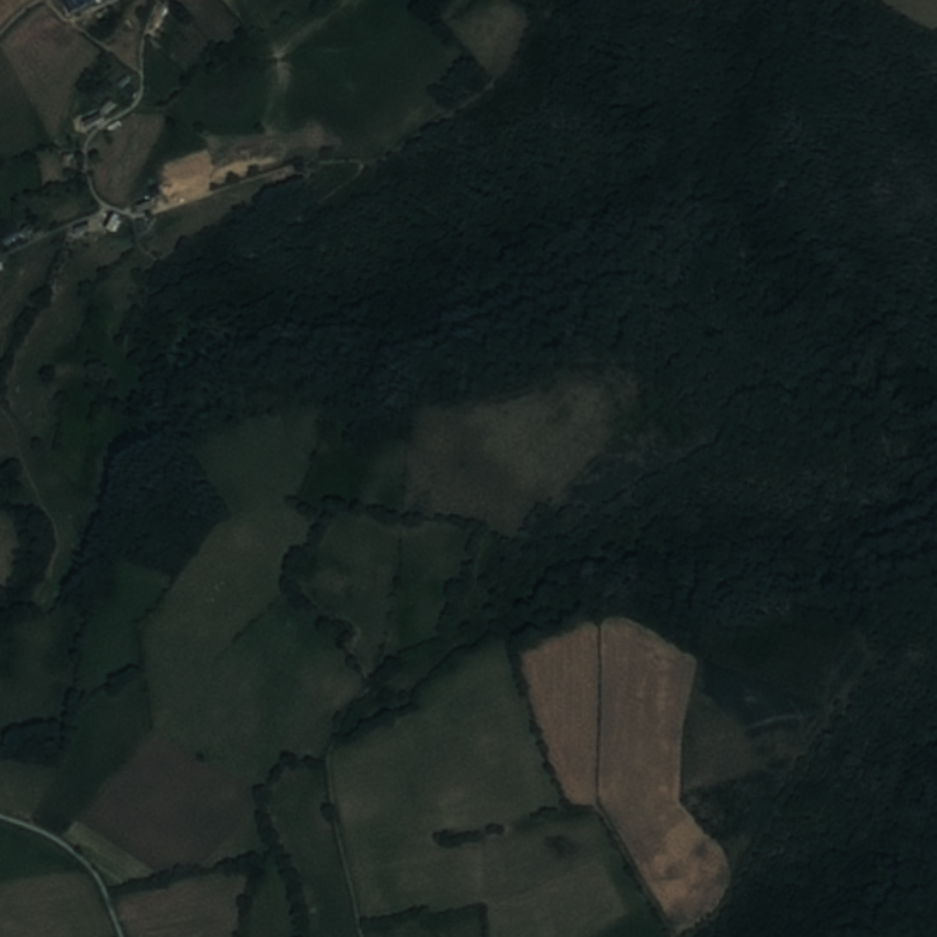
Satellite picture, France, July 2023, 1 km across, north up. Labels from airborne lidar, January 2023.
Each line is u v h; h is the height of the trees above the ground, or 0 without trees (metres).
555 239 28
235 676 0
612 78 32
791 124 30
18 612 20
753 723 0
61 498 0
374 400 25
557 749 0
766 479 16
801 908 31
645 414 0
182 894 0
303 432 0
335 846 0
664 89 22
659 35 15
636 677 0
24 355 0
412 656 7
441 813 0
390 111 0
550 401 0
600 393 0
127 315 8
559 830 0
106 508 22
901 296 12
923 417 25
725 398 28
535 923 0
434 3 18
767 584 21
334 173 0
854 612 13
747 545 18
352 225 13
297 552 15
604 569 23
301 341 15
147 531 15
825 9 11
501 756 0
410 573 0
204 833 0
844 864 24
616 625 0
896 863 22
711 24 22
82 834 0
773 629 0
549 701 0
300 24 0
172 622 0
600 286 15
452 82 11
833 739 18
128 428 0
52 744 18
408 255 23
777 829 12
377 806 0
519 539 7
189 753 0
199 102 0
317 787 0
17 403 0
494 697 0
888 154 17
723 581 12
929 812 24
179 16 15
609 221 24
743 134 24
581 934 0
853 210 13
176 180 0
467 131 6
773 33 27
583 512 10
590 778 0
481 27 0
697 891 0
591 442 0
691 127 22
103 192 0
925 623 15
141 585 0
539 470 0
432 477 0
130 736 0
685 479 17
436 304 17
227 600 0
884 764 17
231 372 19
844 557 20
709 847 0
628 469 0
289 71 0
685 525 27
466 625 13
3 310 0
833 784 14
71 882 0
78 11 0
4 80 0
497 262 30
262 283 9
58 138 0
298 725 0
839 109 18
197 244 7
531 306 21
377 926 12
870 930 22
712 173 20
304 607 22
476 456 0
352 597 0
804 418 21
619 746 0
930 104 11
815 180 25
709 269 22
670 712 0
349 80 0
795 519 18
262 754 0
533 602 13
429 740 0
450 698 0
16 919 0
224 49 17
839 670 0
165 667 0
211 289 26
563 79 16
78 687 5
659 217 29
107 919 0
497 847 0
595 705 0
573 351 17
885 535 13
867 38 15
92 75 6
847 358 21
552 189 21
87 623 7
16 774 0
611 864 0
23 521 19
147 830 0
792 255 25
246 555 0
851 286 21
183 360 17
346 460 0
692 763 0
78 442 0
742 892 8
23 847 0
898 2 0
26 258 0
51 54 0
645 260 18
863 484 24
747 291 25
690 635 21
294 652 0
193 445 21
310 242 17
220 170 0
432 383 10
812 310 25
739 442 18
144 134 0
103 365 21
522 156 21
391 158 8
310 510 12
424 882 0
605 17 23
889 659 8
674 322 22
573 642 0
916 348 22
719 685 0
